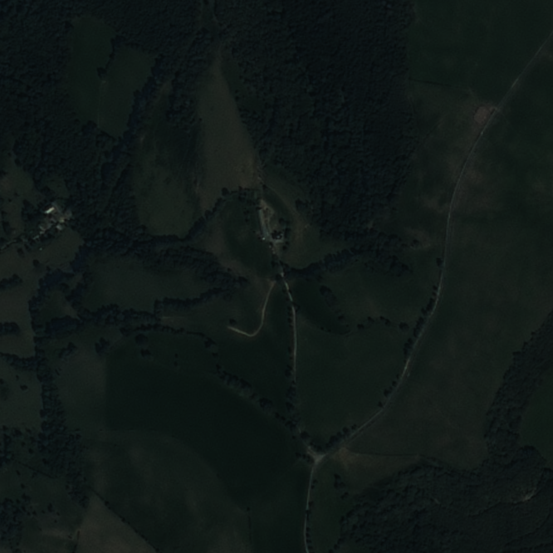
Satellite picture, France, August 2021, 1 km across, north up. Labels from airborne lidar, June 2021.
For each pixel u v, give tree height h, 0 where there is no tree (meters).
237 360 0
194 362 0
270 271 0
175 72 14
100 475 0
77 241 0
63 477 12
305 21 19
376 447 0
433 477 15
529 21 0
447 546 21
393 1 9
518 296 0
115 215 11
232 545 0
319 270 16
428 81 0
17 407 0
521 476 17
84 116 0
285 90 27
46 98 18
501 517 13
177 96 11
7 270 0
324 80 23
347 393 0
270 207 0
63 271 0
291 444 0
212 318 0
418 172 0
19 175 0
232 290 17
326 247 0
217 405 0
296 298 0
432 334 0
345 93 15
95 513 0
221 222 0
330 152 27
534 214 0
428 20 0
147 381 0
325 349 0
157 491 0
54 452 13
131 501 0
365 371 0
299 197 0
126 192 13
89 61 0
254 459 0
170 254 18
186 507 0
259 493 0
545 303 0
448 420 0
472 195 0
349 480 0
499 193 0
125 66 0
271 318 0
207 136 0
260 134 9
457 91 0
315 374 0
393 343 0
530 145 0
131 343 0
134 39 21
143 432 0
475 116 0
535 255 0
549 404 0
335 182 27
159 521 0
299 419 16
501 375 0
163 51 21
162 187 0
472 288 0
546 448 0
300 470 0
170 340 0
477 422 0
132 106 0
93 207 21
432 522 12
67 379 0
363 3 10
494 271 0
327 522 0
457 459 0
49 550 0
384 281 0
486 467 11
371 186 20
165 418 0
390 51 13
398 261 10
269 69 23
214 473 0
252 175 0
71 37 14
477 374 0
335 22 14
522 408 15
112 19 20
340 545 8
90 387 0
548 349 9
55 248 0
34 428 0
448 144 0
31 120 32
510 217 0
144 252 22
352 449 0
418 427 0
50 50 20
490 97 0
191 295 0
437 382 0
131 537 0
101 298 0
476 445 0
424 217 0
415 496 16
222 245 0
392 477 0
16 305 0
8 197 0
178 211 0
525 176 0
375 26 11
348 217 14
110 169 17
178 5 22
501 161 0
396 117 11
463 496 17
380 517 19
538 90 0
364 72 13
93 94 0
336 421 0
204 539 0
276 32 29
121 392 0
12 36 21
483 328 0
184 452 0
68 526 0
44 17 23
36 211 7
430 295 0
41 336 18
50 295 9
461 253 0
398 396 0
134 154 17
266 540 0
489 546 9
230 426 0
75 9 18
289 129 8
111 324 17
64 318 0
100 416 0
